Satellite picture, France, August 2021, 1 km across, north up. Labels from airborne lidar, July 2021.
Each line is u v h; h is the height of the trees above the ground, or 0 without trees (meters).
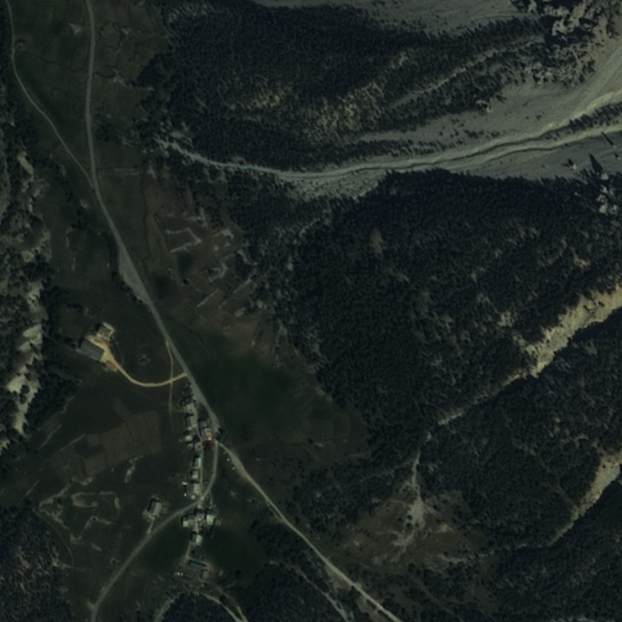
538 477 24
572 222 12
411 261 15
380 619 0
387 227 13
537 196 16
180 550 0
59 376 9
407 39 6
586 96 0
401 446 10
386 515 0
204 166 11
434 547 0
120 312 0
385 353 14
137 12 0
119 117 0
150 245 0
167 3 11
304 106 8
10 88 7
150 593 0
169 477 0
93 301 0
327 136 10
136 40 0
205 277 0
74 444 0
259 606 11
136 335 0
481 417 13
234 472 0
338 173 0
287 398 0
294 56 7
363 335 22
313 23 9
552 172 0
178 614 9
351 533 0
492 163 0
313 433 0
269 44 9
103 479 0
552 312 14
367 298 31
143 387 0
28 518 6
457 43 12
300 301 9
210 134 10
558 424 8
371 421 12
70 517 0
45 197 0
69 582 0
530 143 0
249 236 8
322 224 12
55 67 0
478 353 18
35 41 0
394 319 25
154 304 0
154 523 0
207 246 0
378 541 0
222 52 6
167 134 8
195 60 7
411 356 16
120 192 0
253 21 7
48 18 0
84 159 0
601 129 0
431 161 0
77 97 0
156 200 0
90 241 0
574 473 19
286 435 0
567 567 10
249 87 10
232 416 0
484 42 9
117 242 0
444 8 0
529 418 15
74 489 0
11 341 7
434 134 0
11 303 7
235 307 0
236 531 0
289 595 13
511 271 8
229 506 0
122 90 0
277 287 9
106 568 0
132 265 0
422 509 0
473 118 0
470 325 13
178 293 0
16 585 9
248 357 0
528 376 0
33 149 10
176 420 0
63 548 0
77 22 0
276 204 8
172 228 0
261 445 0
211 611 9
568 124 0
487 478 23
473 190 18
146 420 0
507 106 0
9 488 0
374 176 0
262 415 0
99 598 0
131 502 0
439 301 11
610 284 7
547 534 16
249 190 7
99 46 0
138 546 0
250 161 6
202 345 0
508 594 7
